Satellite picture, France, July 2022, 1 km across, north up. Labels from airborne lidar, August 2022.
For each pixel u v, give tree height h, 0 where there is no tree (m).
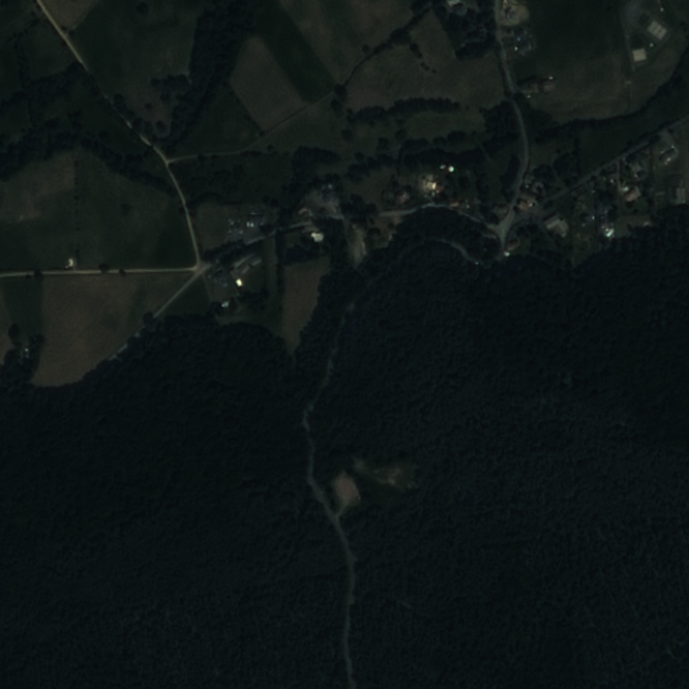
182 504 19
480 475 23
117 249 0
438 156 22
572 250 6
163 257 0
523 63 0
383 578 21
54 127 22
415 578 26
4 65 0
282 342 14
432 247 21
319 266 0
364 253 0
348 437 15
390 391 24
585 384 22
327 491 12
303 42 0
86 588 18
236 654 16
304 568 22
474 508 11
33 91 20
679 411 29
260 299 15
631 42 0
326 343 17
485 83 0
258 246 6
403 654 18
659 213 6
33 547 17
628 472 19
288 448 23
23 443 27
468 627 20
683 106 0
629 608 21
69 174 0
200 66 23
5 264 0
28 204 0
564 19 0
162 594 21
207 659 18
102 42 0
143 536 21
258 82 0
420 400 19
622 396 25
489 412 17
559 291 29
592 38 0
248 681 22
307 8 0
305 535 13
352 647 14
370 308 20
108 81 0
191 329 22
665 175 0
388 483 0
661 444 26
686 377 33
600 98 0
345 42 0
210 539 19
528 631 11
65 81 8
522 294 28
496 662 10
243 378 26
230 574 19
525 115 7
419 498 17
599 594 14
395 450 10
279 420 23
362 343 20
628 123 8
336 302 31
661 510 18
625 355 26
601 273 27
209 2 0
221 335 23
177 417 26
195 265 0
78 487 24
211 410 26
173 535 17
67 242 0
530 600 19
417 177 0
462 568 16
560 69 0
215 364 27
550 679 17
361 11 0
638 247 28
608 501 19
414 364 18
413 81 0
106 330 0
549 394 18
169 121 0
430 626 18
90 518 21
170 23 0
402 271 23
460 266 19
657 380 29
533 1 0
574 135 10
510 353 20
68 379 0
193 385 30
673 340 32
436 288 22
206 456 25
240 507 20
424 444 22
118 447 21
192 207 13
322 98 0
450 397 22
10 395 26
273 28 0
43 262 0
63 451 24
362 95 0
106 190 0
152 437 26
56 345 0
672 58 0
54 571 21
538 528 20
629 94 0
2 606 17
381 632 21
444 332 20
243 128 0
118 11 0
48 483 27
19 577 17
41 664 18
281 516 11
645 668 24
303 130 0
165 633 22
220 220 0
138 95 0
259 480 16
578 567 17
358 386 21
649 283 27
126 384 30
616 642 17
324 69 0
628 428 8
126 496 22
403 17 0
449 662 22
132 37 0
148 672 16
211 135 0
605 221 0
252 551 21
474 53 17
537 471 22
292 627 19
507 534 16
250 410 27
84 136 8
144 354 31
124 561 21
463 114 0
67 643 13
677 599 19
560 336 27
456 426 23
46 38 0
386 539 19
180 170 8
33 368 17
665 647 16
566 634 13
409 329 19
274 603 21
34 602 18
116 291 0
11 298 0
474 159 22
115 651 8
